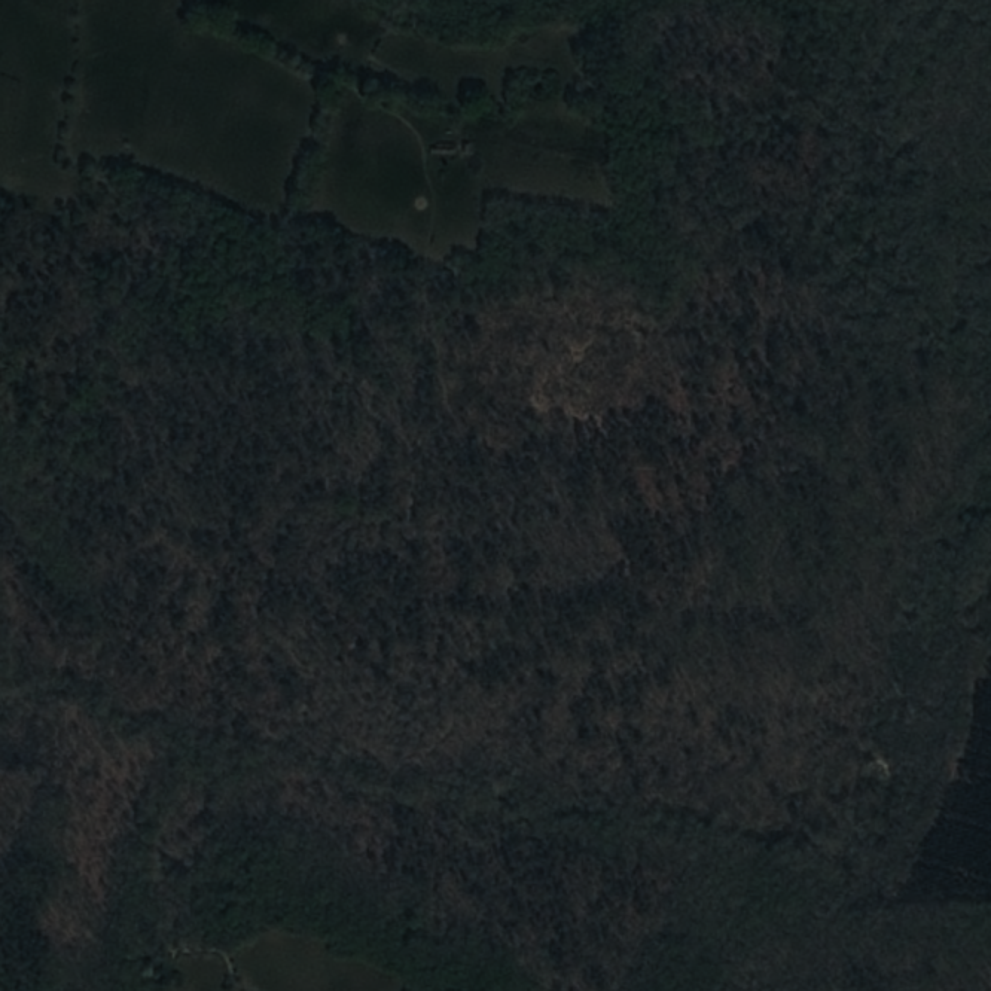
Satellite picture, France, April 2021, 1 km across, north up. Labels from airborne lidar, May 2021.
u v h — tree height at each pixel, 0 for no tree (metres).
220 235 21
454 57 0
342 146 0
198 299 20
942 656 18
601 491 28
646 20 16
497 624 11
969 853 9
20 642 12
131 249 9
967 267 29
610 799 12
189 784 22
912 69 22
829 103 10
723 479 28
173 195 23
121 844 12
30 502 15
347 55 0
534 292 20
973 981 16
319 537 9
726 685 14
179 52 0
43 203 0
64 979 15
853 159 29
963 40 18
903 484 21
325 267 21
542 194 0
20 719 10
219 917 17
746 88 13
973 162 20
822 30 31
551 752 11
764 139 12
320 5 0
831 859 26
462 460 12
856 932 19
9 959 24
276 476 19
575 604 19
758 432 8
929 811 15
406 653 10
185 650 10
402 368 18
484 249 17
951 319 22
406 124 0
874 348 22
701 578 16
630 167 18
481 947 17
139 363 17
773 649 14
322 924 16
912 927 17
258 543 9
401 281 15
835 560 18
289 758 17
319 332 21
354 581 26
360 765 14
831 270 14
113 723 15
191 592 13
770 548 20
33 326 30
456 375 17
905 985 19
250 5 0
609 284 16
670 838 23
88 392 19
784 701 8
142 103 0
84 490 20
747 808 17
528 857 23
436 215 0
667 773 8
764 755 15
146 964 13
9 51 0
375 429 17
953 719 15
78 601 21
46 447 22
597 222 19
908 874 8
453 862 16
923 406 16
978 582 27
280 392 27
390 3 27
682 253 21
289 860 18
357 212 0
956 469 16
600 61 22
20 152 0
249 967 0
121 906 18
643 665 15
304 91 0
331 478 6
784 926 21
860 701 9
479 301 15
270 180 0
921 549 21
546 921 21
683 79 11
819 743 10
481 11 22
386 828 15
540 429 24
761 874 22
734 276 7
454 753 15
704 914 25
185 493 14
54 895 25
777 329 10
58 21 0
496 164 0
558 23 20
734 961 20
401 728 11
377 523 8
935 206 23
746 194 27
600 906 10
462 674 8
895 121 25
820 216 24
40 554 15
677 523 15
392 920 19
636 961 20
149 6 0
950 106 16
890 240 25
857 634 15
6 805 11
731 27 24
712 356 25
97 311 17
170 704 7
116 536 24
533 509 12
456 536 12
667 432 27
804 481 31
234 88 0
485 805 27
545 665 12
